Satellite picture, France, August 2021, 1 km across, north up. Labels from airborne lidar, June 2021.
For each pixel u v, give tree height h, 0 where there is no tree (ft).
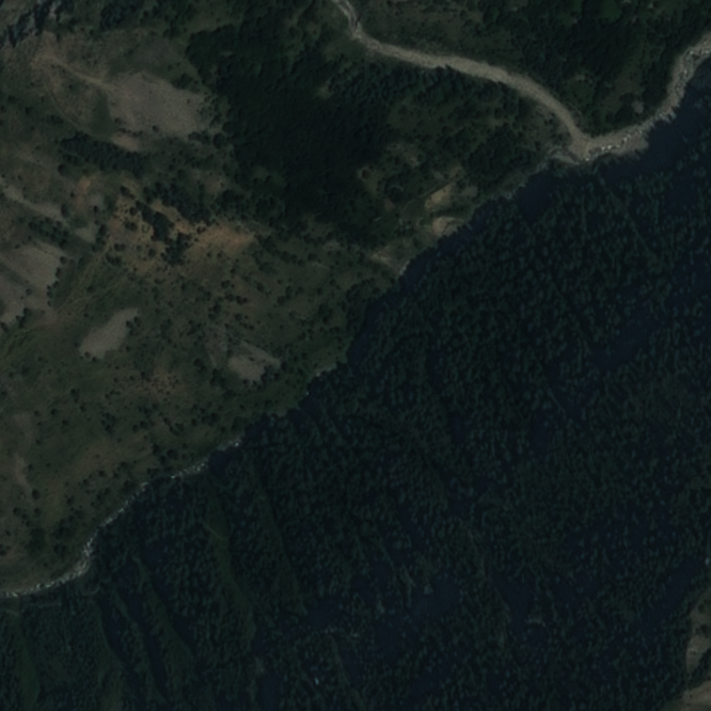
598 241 61
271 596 24
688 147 55
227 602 36
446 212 27
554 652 26
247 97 86
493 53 28
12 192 0
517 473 33
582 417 86
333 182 101
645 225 37
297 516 49
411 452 31
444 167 31
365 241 40
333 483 56
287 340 0
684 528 39
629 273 102
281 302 39
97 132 0
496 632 19
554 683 22
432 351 27
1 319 0
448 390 122
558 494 24
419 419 108
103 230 36
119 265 59
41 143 0
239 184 46
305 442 56
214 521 35
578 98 28
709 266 108
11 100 39
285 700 34
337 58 22
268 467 48
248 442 36
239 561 28
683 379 20
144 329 0
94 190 0
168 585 116
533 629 26
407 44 21
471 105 34
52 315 0
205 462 0
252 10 25
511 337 55
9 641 55
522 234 126
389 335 41
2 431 0
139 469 0
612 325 37
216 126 35
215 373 36
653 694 64
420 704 34
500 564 24
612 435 84
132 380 39
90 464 0
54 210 0
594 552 58
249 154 82
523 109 49
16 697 44
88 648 20
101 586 21
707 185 105
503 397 43
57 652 23
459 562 25
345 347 46
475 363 56
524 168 56
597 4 60
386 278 37
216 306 25
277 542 28
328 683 25
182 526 112
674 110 0
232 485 85
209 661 96
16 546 0
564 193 87
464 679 25
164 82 0
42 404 0
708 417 17
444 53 0
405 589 70
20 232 0
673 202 74
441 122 24
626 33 31
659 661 52
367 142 55
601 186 51
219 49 41
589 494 33
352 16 0
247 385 31
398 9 32
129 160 86
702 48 0
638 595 58
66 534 39
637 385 62
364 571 73
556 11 33
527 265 55
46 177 0
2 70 20
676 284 52
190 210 96
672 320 44
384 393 70
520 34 22
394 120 0
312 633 24
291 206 49
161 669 72
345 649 47
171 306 32
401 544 87
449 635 21
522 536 20
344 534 36
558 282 45
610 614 32
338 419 57
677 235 133
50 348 0
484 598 30
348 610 52
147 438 24
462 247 40
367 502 26
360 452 55
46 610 19
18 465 0
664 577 62
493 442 112
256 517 70
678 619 58
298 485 95
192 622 25
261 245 26
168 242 65
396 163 25
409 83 29
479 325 36
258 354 0
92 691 25
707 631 53
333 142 98
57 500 0
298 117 103
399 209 0
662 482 62
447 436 43
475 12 40
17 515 44
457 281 52
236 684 20
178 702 35
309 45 38
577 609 69
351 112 43
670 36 37
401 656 23
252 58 60
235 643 23
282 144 100
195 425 75
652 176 26
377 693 21
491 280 50
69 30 20
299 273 0
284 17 37
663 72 69
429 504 117
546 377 31
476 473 25
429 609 33
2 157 0
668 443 89
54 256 0
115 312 0
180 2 30
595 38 87
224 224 0
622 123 57
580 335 50
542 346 45
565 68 52
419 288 108
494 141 45
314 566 95
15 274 0
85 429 0
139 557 20
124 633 73
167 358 0
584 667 25
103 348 0
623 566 54
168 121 0
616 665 47
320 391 62
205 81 35
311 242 43
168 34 29
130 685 19
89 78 0
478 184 50
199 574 120
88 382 0
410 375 33
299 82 50
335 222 58
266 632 21
